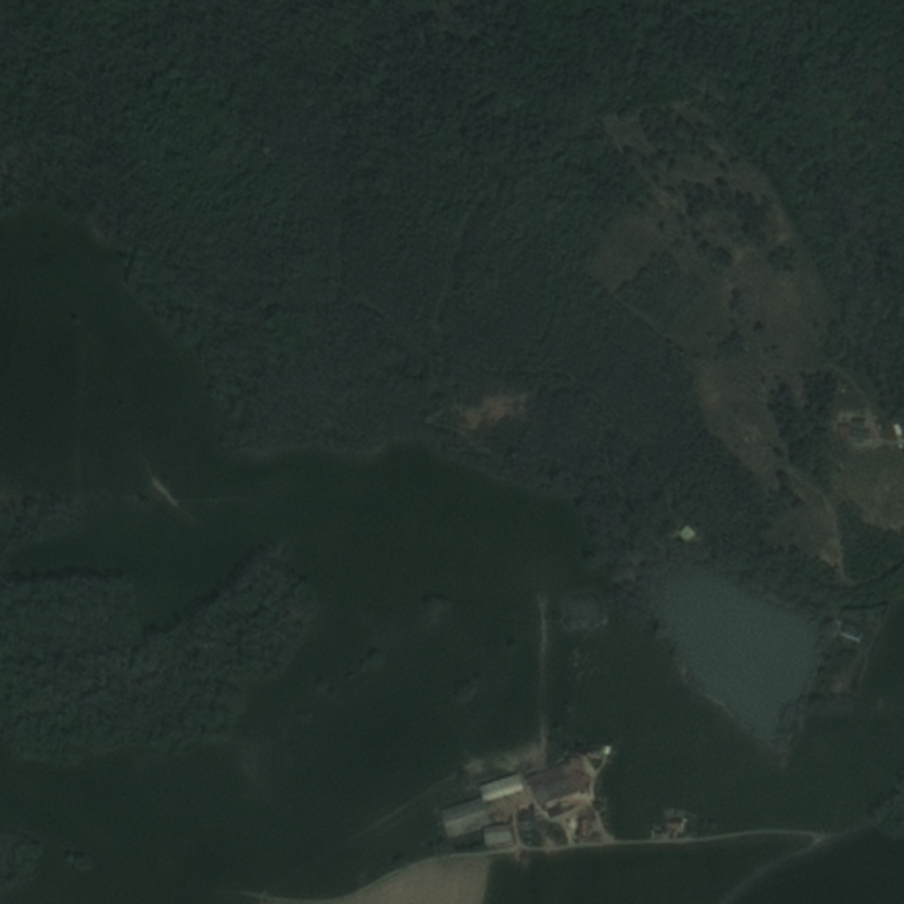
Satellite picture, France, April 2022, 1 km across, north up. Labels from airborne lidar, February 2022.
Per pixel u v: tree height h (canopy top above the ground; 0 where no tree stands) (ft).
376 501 0
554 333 49
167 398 0
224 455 0
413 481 0
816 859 0
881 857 0
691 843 0
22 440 0
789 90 102
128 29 30
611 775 0
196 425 0
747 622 0
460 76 67
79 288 0
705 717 0
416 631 0
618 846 0
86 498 0
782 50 92
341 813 0
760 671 0
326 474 0
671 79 31
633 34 36
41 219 0
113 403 0
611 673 0
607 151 37
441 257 63
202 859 0
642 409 65
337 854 0
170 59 74
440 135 46
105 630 82
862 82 107
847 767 0
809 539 0
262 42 81
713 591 0
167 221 59
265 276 69
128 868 0
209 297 89
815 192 83
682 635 0
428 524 0
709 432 48
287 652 77
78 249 0
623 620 0
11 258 0
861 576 25
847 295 65
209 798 0
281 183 45
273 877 0
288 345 80
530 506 0
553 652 0
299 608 81
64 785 0
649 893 0
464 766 0
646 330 64
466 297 51
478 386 60
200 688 73
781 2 61
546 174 47
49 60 75
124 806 0
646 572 55
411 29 76
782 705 0
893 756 0
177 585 0
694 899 0
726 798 0
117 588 72
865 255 96
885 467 0
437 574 0
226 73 95
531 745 0
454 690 0
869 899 0
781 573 57
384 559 0
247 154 67
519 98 57
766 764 0
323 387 85
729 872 0
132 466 0
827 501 0
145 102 54
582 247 53
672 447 54
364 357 89
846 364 21
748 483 41
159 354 0
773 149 54
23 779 0
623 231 0
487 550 0
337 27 76
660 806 0
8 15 78
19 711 72
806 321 0
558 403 67
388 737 0
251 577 80
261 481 0
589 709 0
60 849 0
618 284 0
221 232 78
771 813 0
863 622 22
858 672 0
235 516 0
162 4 73
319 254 63
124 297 0
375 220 56
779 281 0
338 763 0
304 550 0
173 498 0
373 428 80
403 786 0
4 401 0
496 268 53
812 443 37
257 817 0
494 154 57
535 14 25
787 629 0
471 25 95
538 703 0
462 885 0
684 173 0
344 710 0
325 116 74
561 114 52
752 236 63
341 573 0
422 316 57
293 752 0
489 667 0
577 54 30
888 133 110
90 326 0
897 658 0
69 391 0
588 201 36
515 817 0
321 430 87
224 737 82
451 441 56
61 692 74
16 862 78
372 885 0
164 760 0
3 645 102
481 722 0
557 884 0
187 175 37
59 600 78
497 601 0
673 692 0
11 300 0
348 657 0
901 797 51
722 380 0
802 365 0
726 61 85
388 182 79
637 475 91
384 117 80
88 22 71
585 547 0
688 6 64
